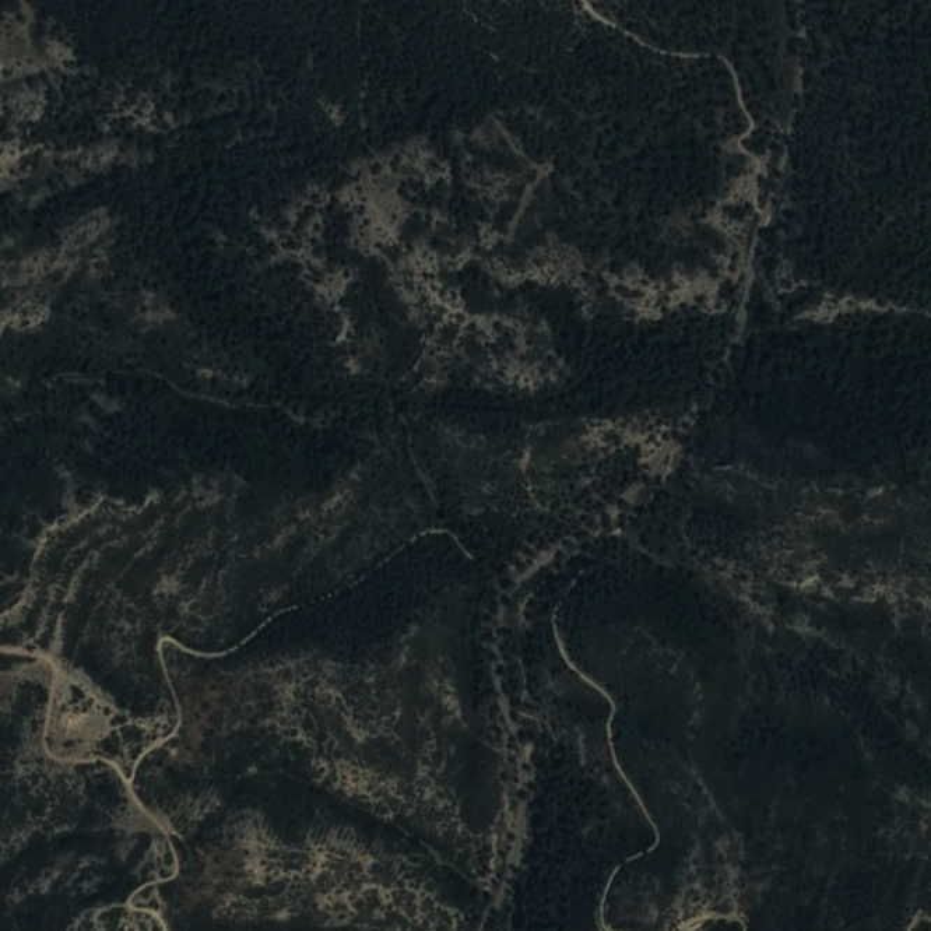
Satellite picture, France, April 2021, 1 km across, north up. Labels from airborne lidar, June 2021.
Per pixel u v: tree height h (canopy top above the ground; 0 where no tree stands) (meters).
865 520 0
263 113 12
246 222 8
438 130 14
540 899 14
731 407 13
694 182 10
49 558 0
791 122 0
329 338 10
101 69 12
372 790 0
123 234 8
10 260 0
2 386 0
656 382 10
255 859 0
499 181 0
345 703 0
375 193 0
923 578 0
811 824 0
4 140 0
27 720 0
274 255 10
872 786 0
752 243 0
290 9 10
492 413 13
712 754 0
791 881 0
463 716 0
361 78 10
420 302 0
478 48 7
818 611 0
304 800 0
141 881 0
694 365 19
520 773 0
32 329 0
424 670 0
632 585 8
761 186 6
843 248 9
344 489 0
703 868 0
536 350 0
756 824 0
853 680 6
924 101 10
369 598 7
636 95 12
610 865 8
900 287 9
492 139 0
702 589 0
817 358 10
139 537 0
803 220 11
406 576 7
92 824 0
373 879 0
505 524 11
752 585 0
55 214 9
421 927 0
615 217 8
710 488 0
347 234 7
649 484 14
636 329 17
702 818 0
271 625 8
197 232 17
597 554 12
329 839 0
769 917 0
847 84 11
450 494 10
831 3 13
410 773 0
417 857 0
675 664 0
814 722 0
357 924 0
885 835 0
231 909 0
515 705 12
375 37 12
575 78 9
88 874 0
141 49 12
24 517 0
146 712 0
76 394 10
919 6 12
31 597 0
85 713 0
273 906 0
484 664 15
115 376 15
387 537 7
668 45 12
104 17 12
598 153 10
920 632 0
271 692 0
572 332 7
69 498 0
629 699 9
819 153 11
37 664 0
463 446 0
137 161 0
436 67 10
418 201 7
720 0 12
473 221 13
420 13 11
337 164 9
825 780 0
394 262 0
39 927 0
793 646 0
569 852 12
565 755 12
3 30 0
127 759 0
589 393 10
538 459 0
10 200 8
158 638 0
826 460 0
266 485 0
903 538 0
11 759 0
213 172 17
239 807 0
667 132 6
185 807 0
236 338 9
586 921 0
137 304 0
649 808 0
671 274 0
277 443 9
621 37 9
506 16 8
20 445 0
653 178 10
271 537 0
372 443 6
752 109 12
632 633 0
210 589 0
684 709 0
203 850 0
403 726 0
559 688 0
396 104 11
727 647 0
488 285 10
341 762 0
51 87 6
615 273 12
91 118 6
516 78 10
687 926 0
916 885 0
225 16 11
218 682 0
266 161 15
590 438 0
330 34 9
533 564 10
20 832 0
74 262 0
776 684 6
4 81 0
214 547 0
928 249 14
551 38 9
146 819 0
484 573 13
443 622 6
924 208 9
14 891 0
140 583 0
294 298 11
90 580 0
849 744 0
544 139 9
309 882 0
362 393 17
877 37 13
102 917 0
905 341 21
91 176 10
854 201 10
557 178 8
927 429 10
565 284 8
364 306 6
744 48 13
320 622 6
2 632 0
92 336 7
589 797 14
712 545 8
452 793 0
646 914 0
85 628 0
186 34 15
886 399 8
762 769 0
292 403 12
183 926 0
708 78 13
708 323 14
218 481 0
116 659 0
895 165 10
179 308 9
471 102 11
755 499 0
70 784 0
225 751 0
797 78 0
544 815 15
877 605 0
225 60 10
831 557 0
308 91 8
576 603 8
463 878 7
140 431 8
